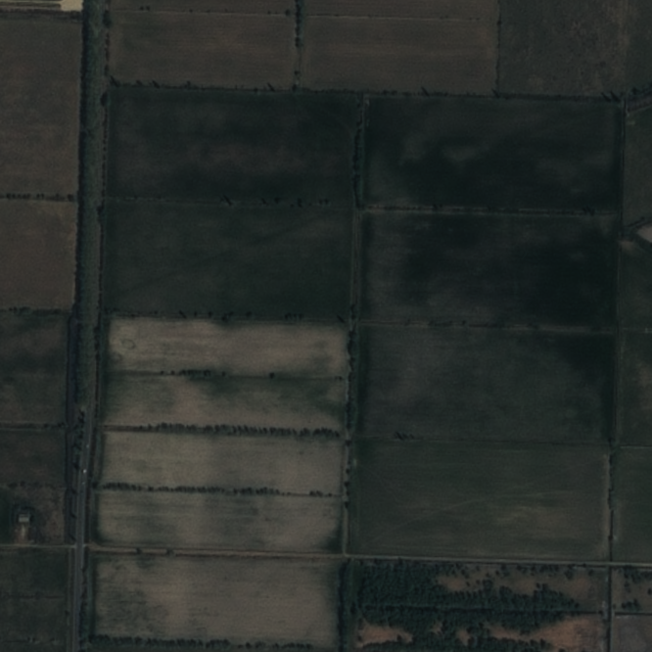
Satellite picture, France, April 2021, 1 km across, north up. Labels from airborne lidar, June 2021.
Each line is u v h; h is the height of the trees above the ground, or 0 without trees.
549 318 0
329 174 0
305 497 0
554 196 0
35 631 0
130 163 0
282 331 0
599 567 0
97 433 6
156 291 0
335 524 0
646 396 0
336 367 0
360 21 0
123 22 0
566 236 0
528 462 0
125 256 0
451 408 0
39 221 0
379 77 0
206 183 0
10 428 0
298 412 0
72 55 0
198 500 0
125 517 0
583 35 0
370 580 12
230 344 0
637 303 0
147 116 0
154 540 0
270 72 0
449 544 0
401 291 0
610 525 0
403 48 0
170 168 0
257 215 0
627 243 0
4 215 0
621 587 0
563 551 0
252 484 0
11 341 0
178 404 0
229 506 0
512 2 0
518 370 0
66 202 0
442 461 0
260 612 0
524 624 15
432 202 0
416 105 0
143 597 0
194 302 0
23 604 0
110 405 0
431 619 17
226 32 0
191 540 0
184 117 0
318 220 0
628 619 0
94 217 16
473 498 0
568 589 0
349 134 0
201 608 0
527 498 0
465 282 0
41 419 0
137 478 0
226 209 0
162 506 0
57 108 0
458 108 0
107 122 6
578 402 0
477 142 0
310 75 0
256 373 0
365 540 0
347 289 0
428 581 9
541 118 0
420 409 0
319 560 0
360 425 0
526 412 0
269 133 0
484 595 13
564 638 0
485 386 0
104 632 0
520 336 0
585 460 0
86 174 20
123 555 0
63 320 0
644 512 0
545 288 0
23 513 8
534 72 0
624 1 0
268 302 0
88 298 18
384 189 0
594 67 0
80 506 0
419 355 0
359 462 0
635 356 0
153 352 0
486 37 0
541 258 0
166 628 0
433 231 0
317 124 0
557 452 0
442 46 0
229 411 0
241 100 0
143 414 0
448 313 0
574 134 0
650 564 0
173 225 0
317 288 0
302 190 0
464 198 0
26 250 0
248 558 0
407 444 0
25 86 0
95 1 17
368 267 0
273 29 0
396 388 0
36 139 0
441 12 0
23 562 0
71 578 0
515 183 0
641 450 0
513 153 0
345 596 19
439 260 0
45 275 0
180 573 0
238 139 0
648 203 0
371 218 0
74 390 6
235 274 0
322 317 0
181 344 0
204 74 0
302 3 13
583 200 0
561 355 0
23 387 0
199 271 0
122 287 0
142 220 0
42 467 0
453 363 0
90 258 18
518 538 0
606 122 0
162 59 0
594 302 0
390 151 0
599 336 0
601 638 0
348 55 0
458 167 0
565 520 0
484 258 0
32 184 0
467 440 0
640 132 0
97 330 11
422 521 0
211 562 0
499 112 0
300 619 0
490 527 0
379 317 0
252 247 0
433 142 0
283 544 0
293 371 0
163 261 0
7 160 0
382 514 0
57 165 0
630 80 0
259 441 0
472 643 13
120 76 0
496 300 0
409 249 0
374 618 15
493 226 0
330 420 0
